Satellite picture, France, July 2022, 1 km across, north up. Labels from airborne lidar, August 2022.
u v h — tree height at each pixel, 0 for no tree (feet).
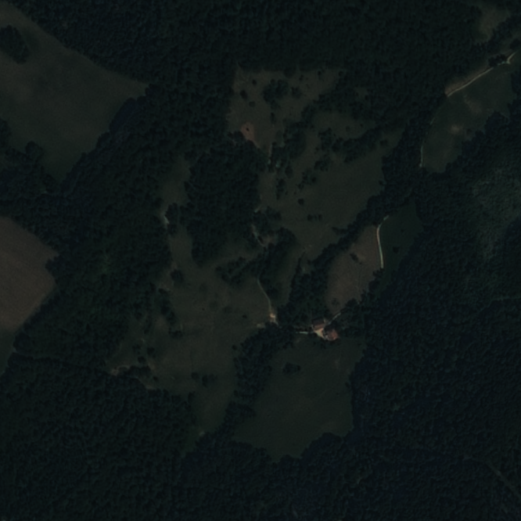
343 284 0
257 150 30
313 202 0
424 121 78
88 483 88
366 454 73
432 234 87
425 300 105
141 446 104
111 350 69
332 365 0
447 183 39
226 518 74
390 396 80
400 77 84
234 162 55
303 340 0
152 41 67
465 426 99
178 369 0
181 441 78
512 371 81
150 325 19
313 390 0
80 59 0
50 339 75
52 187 66
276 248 75
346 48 90
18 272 0
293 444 0
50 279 0
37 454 31
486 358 91
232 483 111
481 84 0
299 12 60
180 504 91
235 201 69
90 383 82
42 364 102
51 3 50
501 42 59
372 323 68
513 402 73
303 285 44
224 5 33
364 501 106
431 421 95
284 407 0
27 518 77
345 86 41
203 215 59
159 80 64
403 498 109
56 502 73
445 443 95
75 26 95
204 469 121
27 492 49
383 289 0
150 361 0
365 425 78
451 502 83
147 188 78
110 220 74
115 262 27
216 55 88
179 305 0
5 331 0
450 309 37
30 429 88
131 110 90
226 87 98
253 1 30
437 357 99
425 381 73
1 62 0
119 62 75
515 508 85
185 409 73
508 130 67
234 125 0
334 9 80
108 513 85
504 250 24
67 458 45
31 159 58
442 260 54
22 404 88
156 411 78
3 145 52
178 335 34
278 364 0
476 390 100
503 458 34
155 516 101
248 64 81
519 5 87
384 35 97
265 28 57
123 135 60
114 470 92
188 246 0
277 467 53
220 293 0
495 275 56
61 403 85
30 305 0
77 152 0
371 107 23
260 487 80
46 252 0
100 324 26
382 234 0
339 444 76
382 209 77
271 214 69
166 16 106
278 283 0
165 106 97
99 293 56
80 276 61
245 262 41
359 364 0
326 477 112
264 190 0
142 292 69
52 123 0
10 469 70
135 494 31
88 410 80
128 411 94
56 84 0
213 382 59
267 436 0
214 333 0
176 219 49
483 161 75
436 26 93
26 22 0
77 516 90
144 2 36
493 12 0
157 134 111
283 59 74
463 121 0
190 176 0
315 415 0
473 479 78
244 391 47
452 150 0
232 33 76
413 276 110
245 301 0
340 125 0
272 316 0
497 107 0
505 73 0
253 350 94
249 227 52
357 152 58
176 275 62
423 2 80
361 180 0
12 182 103
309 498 117
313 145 0
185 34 107
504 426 82
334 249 64
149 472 37
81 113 0
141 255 89
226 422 45
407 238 0
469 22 82
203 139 76
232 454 85
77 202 76
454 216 44
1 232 0
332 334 0
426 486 97
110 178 119
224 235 40
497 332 89
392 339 94
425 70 71
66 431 82
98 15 69
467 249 59
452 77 58
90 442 68
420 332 20
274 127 0
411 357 85
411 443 81
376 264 0
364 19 108
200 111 104
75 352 88
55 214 67
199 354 0
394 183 63
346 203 0
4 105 0
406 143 52
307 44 88
